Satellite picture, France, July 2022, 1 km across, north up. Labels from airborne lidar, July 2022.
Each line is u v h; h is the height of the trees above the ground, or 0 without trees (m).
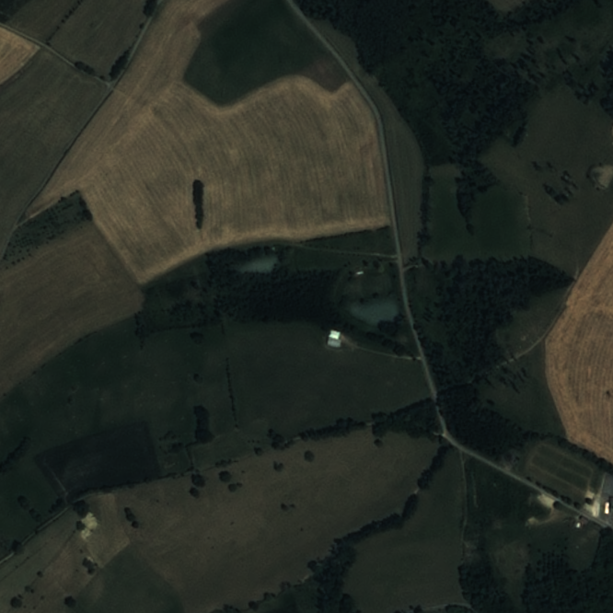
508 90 26
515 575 0
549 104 0
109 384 0
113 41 0
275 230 0
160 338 0
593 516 0
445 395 19
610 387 0
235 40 0
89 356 0
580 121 0
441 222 0
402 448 0
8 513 0
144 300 0
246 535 0
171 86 0
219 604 0
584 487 0
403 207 0
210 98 0
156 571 0
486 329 9
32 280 0
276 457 0
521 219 0
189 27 0
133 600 0
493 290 20
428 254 0
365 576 0
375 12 42
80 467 0
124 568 0
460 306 21
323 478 0
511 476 0
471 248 0
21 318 0
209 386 0
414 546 0
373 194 0
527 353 0
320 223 0
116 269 0
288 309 23
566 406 0
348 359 0
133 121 0
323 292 15
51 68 0
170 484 0
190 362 0
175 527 0
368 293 0
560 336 0
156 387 0
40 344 0
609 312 0
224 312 17
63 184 0
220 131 0
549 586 14
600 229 0
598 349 0
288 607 0
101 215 0
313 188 0
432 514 0
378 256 0
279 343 0
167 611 0
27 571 0
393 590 0
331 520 0
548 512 0
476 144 25
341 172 0
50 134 0
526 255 0
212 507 0
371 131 0
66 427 0
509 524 0
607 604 14
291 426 0
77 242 0
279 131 0
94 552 0
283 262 18
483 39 23
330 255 0
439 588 0
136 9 0
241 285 13
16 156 0
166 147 0
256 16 0
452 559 0
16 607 13
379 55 39
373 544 0
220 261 23
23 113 0
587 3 0
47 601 0
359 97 0
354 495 0
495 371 37
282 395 0
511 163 0
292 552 0
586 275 0
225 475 14
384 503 0
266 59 0
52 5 0
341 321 19
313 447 0
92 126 0
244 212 0
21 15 0
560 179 0
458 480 0
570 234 0
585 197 0
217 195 0
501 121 26
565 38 0
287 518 0
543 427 0
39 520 11
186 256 0
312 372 0
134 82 0
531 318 0
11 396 0
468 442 27
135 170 0
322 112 0
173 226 0
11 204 0
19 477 0
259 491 0
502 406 0
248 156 0
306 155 0
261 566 0
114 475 0
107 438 0
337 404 0
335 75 0
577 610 9
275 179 0
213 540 0
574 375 0
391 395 0
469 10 14
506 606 21
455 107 24
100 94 0
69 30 0
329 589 28
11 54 0
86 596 0
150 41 0
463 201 24
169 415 0
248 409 0
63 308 0
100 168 0
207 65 0
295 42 0
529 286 14
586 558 0
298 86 0
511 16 9
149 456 0
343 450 0
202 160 0
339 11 31
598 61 0
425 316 0
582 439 0
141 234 0
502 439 21
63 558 0
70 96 0
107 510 0
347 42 0
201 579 0
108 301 0
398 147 0
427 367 0
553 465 0
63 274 0
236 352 0
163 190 0
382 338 11
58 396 0
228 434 0
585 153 0
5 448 0
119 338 0
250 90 0
